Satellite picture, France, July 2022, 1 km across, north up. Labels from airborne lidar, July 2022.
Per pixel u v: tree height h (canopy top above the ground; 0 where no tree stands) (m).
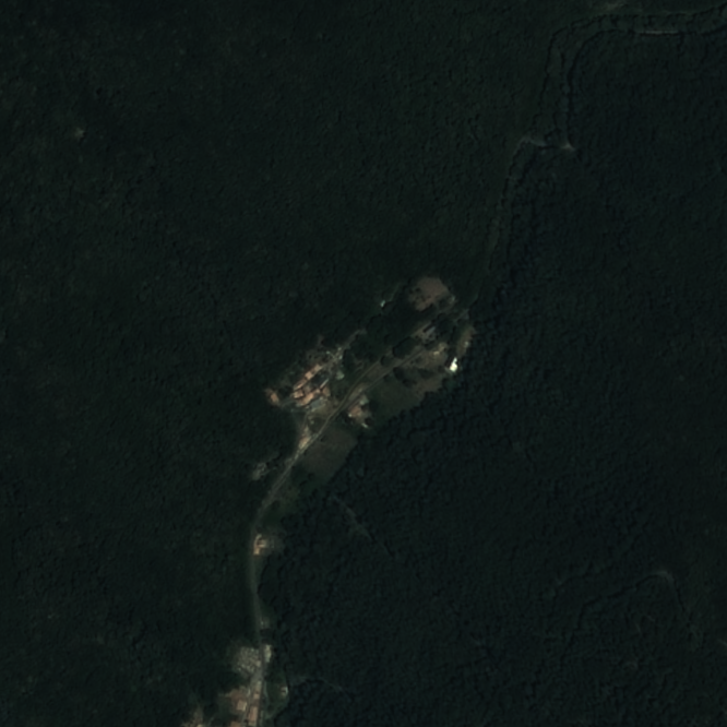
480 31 23
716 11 19
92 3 27
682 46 6
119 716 24
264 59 28
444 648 24
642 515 22
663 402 27
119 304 24
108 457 29
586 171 27
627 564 11
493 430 31
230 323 28
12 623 22
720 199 18
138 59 24
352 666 23
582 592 14
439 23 28
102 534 21
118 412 20
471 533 19
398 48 29
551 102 17
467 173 28
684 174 19
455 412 24
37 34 21
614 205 26
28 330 23
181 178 22
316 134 27
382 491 24
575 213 27
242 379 25
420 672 22
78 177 29
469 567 25
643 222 26
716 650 18
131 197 24
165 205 38
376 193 25
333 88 30
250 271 23
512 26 25
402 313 20
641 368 25
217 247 20
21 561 34
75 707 21
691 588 30
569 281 17
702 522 24
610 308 16
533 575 20
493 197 26
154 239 22
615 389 22
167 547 24
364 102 28
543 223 22
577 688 25
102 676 22
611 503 19
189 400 8
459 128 35
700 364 22
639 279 23
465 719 19
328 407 0
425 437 30
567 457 17
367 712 21
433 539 17
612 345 21
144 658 31
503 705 20
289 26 27
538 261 35
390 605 29
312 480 12
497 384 19
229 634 27
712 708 16
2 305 21
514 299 28
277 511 6
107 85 17
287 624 30
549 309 26
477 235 28
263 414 17
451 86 34
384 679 27
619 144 24
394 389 0
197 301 35
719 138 15
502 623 26
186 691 25
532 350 25
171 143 30
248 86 21
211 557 24
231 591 31
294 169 27
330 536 27
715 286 17
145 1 28
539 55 21
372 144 25
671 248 17
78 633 31
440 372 6
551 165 20
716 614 27
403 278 17
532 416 25
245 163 22
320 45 26
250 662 0
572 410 15
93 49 17
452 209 25
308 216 29
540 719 25
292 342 21
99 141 26
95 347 18
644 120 22
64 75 21
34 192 27
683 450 24
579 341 21
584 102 24
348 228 27
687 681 16
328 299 23
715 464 24
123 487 22
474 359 27
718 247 17
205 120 21
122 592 26
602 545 16
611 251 24
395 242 22
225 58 21
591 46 21
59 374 25
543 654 19
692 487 22
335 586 24
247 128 22
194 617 22
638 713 14
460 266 20
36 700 23
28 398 22
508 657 31
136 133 24
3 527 18
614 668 21
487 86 28
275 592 19
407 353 25
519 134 23
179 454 22
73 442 24
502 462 20
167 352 27
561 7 12
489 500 19
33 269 20
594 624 20
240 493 20
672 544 16
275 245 31
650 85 23
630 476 15
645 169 21
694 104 24
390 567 27
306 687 15
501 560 18
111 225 29
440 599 31
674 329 21
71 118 23
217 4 20
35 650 26
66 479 23
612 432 19
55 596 37
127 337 24
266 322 24
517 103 27
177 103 25
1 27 25
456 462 29
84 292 24
